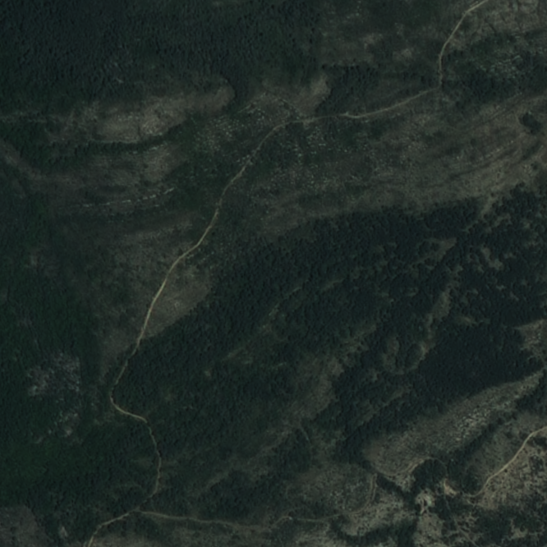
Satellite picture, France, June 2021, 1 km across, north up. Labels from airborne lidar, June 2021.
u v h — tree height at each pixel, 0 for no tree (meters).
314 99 0
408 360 9
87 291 0
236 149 0
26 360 6
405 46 0
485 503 0
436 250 9
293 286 10
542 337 0
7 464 9
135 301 0
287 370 7
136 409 9
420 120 0
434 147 0
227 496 10
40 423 5
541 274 6
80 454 8
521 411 9
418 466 6
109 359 0
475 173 0
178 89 0
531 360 11
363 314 8
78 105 0
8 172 7
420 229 10
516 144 0
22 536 0
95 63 9
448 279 9
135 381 8
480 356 10
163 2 9
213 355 13
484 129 0
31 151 8
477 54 0
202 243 0
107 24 11
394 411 7
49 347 6
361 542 9
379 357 9
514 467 0
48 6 14
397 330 9
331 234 9
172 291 0
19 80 8
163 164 0
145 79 7
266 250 9
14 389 7
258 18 8
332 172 0
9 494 12
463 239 10
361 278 10
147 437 7
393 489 8
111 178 0
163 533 6
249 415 9
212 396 12
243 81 14
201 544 0
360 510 0
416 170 0
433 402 9
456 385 11
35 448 7
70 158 7
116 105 0
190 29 11
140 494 8
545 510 6
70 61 11
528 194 7
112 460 8
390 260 8
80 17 15
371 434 10
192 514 0
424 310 12
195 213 0
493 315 10
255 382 12
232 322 11
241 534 0
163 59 6
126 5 12
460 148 0
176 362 11
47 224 6
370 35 0
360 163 0
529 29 0
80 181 0
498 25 0
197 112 0
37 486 12
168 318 0
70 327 7
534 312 11
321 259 10
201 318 11
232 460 0
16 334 8
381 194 0
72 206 0
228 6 7
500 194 0
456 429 0
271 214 0
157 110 0
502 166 0
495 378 12
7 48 6
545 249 8
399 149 0
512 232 10
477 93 7
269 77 0
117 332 0
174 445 11
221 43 8
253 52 8
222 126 0
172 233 0
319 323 11
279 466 6
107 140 0
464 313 9
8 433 6
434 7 0
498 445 0
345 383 13
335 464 0
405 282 11
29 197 7
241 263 8
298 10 8
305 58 8
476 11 0
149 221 0
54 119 0
